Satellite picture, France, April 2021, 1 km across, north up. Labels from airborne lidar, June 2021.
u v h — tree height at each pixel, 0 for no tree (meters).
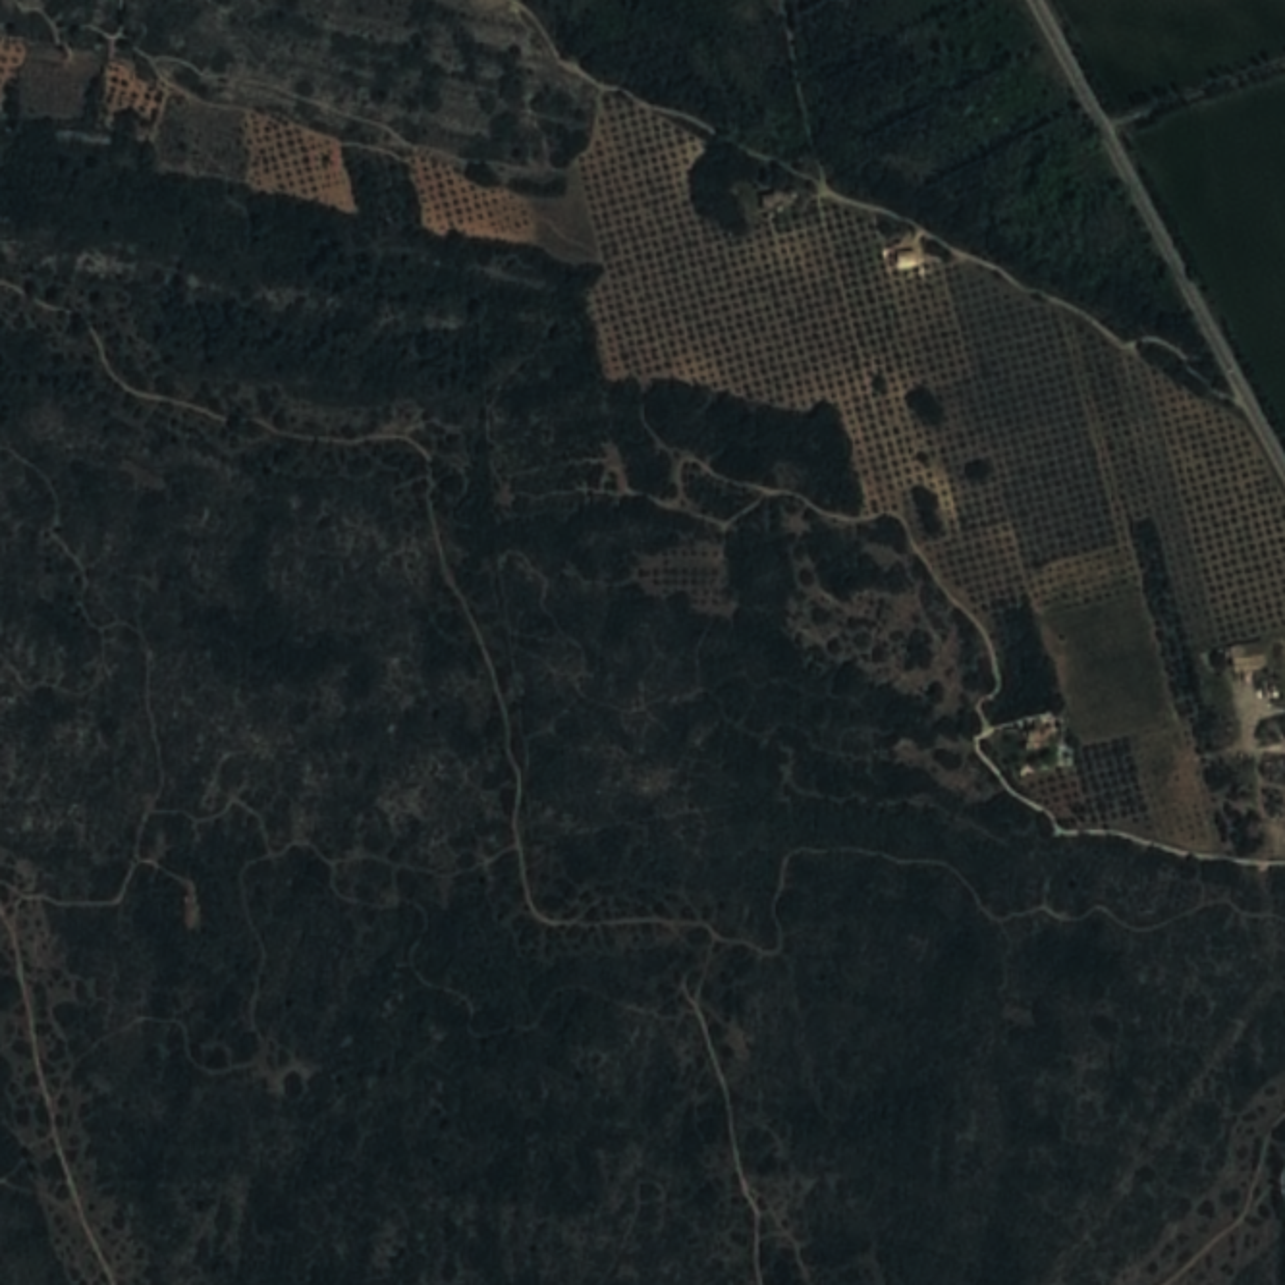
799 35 7
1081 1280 0
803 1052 0
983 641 0
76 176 10
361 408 0
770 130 15
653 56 6
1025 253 11
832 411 8
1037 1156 0
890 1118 6
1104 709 0
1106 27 0
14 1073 0
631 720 0
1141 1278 0
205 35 0
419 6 5
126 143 6
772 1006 0
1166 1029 0
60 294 9
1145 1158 0
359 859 0
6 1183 0
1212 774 6
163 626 0
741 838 0
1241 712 0
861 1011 0
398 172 6
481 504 6
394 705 0
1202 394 8
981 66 7
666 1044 0
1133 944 0
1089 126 7
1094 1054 0
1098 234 17
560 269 6
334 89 0
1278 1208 6
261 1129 0
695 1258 0
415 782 0
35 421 0
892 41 6
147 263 0
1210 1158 0
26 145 6
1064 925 0
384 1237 0
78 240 0
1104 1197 0
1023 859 0
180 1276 0
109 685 0
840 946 0
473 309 9
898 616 0
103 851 0
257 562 6
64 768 0
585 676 0
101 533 0
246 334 12
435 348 12
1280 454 0
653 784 0
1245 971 0
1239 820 6
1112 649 0
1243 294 0
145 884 6
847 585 6
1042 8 0
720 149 9
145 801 0
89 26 0
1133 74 0
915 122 11
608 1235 0
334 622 0
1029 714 6
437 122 0
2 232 0
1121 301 9
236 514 0
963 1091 0
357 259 5
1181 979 0
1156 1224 0
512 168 0
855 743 0
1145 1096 0
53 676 0
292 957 0
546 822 0
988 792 0
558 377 7
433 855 0
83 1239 0
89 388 9
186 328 13
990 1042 0
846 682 5
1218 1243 0
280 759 0
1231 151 0
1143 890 0
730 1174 0
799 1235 0
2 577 0
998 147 6
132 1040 0
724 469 6
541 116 0
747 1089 0
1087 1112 0
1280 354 0
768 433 6
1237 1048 0
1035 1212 0
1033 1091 0
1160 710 0
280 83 0
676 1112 0
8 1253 0
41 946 0
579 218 0
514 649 0
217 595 0
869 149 7
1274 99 0
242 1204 0
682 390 7
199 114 0
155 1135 0
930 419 8
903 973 0
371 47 0
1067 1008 0
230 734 0
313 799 0
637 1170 0
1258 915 0
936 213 8
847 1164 0
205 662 0
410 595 0
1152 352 6
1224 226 0
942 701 8
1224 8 0
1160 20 0
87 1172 0
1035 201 17
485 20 0
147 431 0
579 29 5
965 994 0
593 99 0
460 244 11
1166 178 0
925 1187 0
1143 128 13
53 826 0
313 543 0
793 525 0
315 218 7
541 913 0
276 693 0
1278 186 0
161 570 0
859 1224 0
